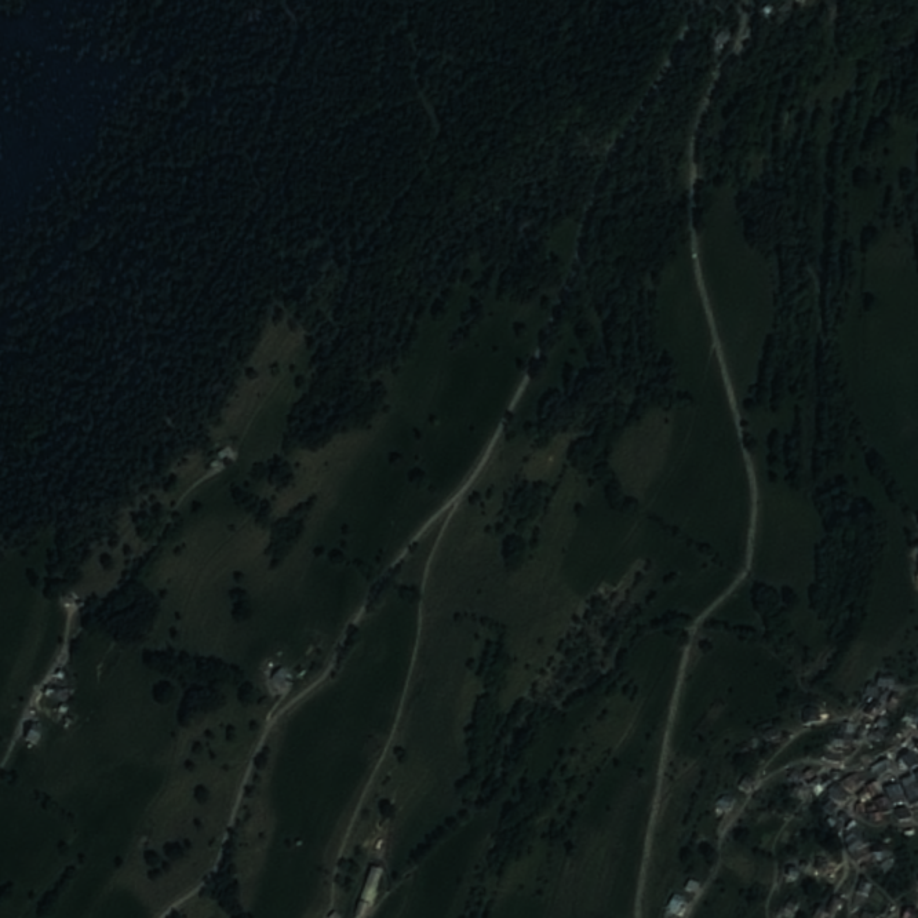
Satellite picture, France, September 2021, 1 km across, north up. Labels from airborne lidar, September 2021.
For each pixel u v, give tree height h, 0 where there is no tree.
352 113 19
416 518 0
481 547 0
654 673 0
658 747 0
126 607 18
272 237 13
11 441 19
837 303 19
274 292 8
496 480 0
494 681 16
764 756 13
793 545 0
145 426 22
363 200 25
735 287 0
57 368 17
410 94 21
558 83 25
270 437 0
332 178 18
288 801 0
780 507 0
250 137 24
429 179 15
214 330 23
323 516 0
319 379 12
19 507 25
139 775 0
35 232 30
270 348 0
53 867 0
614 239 19
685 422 0
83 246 28
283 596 0
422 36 18
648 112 15
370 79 19
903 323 0
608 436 19
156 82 29
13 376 25
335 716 0
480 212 21
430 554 0
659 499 0
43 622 0
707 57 11
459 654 0
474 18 16
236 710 0
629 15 23
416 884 0
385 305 20
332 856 0
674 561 0
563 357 0
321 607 0
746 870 0
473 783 16
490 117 16
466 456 0
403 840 0
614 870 0
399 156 19
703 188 15
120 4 27
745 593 0
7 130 16
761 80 19
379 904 0
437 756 0
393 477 0
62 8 34
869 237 15
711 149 14
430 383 0
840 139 16
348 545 11
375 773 0
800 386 11
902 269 0
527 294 15
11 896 12
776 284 6
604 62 20
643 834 0
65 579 16
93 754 0
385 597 15
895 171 0
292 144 21
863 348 0
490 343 0
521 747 19
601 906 0
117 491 23
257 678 0
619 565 0
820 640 0
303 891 0
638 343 8
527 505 17
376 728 0
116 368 30
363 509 0
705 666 0
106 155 26
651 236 21
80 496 22
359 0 13
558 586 0
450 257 19
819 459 19
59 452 27
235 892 18
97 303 24
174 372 29
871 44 18
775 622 17
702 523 0
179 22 9
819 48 18
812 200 22
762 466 0
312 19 11
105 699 0
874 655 0
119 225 16
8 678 0
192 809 0
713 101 12
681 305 0
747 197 17
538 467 0
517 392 0
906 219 7
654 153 21
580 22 20
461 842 0
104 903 0
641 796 0
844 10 25
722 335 0
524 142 20
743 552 0
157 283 30
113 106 33
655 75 19
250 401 0
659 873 0
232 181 16
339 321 19
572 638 7
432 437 0
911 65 23
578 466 19
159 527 16
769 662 0
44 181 32
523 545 14
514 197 11
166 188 13
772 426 0
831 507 12
